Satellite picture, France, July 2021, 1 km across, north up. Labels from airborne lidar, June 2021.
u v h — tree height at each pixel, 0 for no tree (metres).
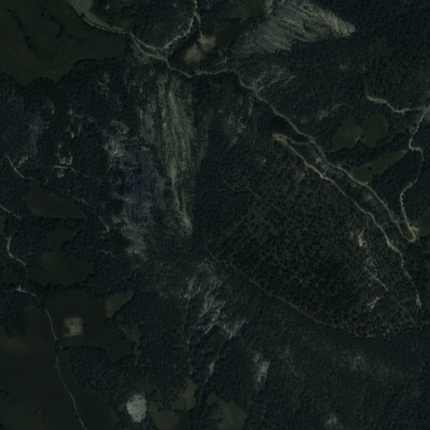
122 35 12
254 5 0
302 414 14
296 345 8
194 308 9
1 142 9
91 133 10
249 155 9
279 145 10
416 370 6
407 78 15
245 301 10
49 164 10
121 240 8
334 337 11
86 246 12
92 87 15
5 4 0
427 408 11
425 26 15
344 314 10
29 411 0
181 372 11
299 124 6
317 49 8
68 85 13
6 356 0
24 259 8
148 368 15
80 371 10
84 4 0
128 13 12
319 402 7
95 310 0
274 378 9
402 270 8
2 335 0
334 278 14
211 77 8
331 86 11
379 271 8
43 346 0
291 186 12
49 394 0
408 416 9
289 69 7
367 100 7
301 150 7
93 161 17
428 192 8
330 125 10
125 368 10
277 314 11
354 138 0
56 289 17
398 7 14
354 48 11
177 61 0
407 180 20
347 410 11
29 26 0
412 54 7
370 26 12
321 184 6
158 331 10
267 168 8
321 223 6
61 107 10
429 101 8
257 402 15
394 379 8
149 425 10
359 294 13
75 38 6
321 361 7
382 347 12
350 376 8
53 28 0
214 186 15
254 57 6
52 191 9
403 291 13
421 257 17
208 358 16
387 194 12
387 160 0
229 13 0
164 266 8
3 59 0
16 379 0
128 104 6
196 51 0
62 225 14
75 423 0
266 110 6
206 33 7
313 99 9
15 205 12
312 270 15
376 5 15
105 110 12
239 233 11
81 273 0
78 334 0
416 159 15
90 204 11
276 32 0
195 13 11
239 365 12
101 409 0
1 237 11
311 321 8
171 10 8
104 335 0
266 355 7
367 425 9
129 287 13
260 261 13
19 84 10
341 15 11
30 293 9
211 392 11
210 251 8
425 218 0
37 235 17
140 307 13
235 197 17
